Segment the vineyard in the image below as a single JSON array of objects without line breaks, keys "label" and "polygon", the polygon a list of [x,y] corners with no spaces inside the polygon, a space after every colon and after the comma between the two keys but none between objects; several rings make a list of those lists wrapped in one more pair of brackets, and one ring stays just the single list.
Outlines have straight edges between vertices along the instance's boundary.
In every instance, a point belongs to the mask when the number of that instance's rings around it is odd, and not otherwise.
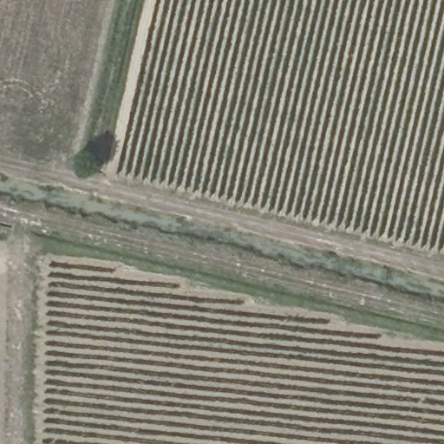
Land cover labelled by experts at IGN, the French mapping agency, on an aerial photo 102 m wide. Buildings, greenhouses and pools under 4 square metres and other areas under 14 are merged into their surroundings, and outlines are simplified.
[{"label": "vineyard", "polygon": [[42,246],[33,245],[29,241],[29,236],[9,236],[5,241],[0,241],[0,444],[444,444],[444,342],[420,340],[408,333],[397,333],[378,326],[347,323],[345,319],[331,312],[271,304],[265,298],[253,298],[246,293],[208,288],[205,283],[173,274],[140,271],[137,267],[116,260],[68,257],[50,253],[43,255]]},{"label": "vineyard", "polygon": [[0,173],[7,175],[14,182],[28,184],[29,189],[40,186],[62,187],[68,193],[80,194],[85,203],[104,203],[109,208],[116,206],[130,215],[139,213],[142,219],[172,231],[193,231],[198,234],[201,234],[201,231],[210,231],[212,236],[236,241],[239,245],[253,246],[255,243],[265,243],[288,245],[291,248],[309,246],[316,250],[331,250],[340,257],[357,258],[362,262],[388,265],[392,269],[411,272],[415,274],[416,281],[423,284],[427,283],[428,277],[444,281],[444,0],[146,0],[142,5],[125,94],[121,99],[120,113],[116,121],[116,147],[113,158],[102,166],[101,172],[87,179],[80,179],[73,170],[75,156],[85,146],[88,116],[94,102],[95,88],[99,82],[104,59],[104,47],[113,19],[113,0],[0,0]]}]

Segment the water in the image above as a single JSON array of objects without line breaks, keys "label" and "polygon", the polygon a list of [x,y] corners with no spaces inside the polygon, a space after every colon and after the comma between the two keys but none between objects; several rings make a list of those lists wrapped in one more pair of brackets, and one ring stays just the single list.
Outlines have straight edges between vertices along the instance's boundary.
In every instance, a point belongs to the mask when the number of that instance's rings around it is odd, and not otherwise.
[{"label": "water", "polygon": [[416,302],[432,300],[444,304],[444,281],[428,277],[427,283],[423,284],[416,281],[415,274],[411,272],[392,269],[388,265],[362,262],[357,258],[340,257],[331,250],[316,250],[309,246],[291,248],[288,245],[265,243],[255,243],[253,246],[239,245],[236,241],[212,236],[210,231],[201,231],[201,234],[198,234],[193,231],[172,231],[142,219],[139,213],[130,215],[116,206],[109,208],[104,203],[85,203],[80,194],[68,193],[62,187],[40,186],[29,189],[28,184],[14,182],[7,175],[0,173],[0,198],[9,198],[14,203],[26,205],[43,205],[45,210],[59,208],[68,215],[80,215],[90,224],[127,224],[132,229],[153,229],[168,236],[196,239],[203,245],[210,243],[217,246],[232,246],[238,250],[250,251],[265,260],[281,260],[281,264],[293,267],[297,271],[314,269],[323,272],[328,281],[343,284],[364,281],[375,284],[380,290],[388,293],[415,298]]}]

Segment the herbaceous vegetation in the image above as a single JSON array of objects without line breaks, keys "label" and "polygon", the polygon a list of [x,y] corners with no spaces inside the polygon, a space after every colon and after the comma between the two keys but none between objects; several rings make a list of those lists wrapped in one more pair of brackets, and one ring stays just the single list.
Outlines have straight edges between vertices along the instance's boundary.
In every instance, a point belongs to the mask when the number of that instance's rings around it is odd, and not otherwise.
[{"label": "herbaceous vegetation", "polygon": [[401,314],[402,319],[421,321],[437,328],[444,328],[444,304],[432,300],[416,302],[415,298],[388,293],[380,290],[375,284],[364,281],[343,284],[328,281],[323,272],[314,269],[297,271],[293,267],[281,264],[281,260],[265,260],[250,251],[238,250],[232,246],[217,246],[210,243],[203,245],[196,239],[168,236],[153,229],[132,229],[127,224],[90,224],[80,215],[68,215],[59,208],[45,210],[43,205],[26,205],[14,203],[9,198],[0,198],[0,241],[5,241],[9,236],[29,236],[36,227],[43,234],[59,232],[62,238],[66,239],[88,238],[90,245],[121,248],[140,257],[160,258],[175,264],[201,264],[208,272],[232,272],[245,277],[250,283],[265,283],[269,286],[277,284],[293,293],[321,295],[350,307],[366,305],[375,312],[390,310]]}]

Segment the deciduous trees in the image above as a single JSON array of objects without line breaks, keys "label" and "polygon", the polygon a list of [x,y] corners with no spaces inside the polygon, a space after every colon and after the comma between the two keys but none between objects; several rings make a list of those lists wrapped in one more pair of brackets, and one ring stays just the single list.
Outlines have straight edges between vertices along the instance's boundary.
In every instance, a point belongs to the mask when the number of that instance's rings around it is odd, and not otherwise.
[{"label": "deciduous trees", "polygon": [[33,245],[42,246],[43,255],[50,253],[68,257],[116,260],[137,267],[140,271],[173,274],[205,283],[208,288],[246,293],[253,298],[265,298],[271,304],[331,312],[345,319],[347,323],[378,326],[397,333],[408,333],[420,340],[444,342],[444,328],[437,328],[421,321],[402,319],[401,314],[390,310],[375,312],[366,305],[350,307],[321,295],[293,293],[277,284],[269,286],[265,283],[250,283],[245,277],[232,272],[208,272],[201,264],[175,264],[160,258],[140,257],[121,248],[90,245],[88,238],[66,239],[62,238],[59,232],[43,234],[36,227],[29,236],[29,241]]},{"label": "deciduous trees", "polygon": [[75,156],[73,170],[80,179],[87,179],[101,172],[102,166],[113,158],[116,147],[116,121],[120,113],[121,99],[125,94],[142,5],[146,0],[113,0],[113,19],[104,47],[104,59],[99,82],[95,88],[94,102],[88,116],[85,146]]}]

